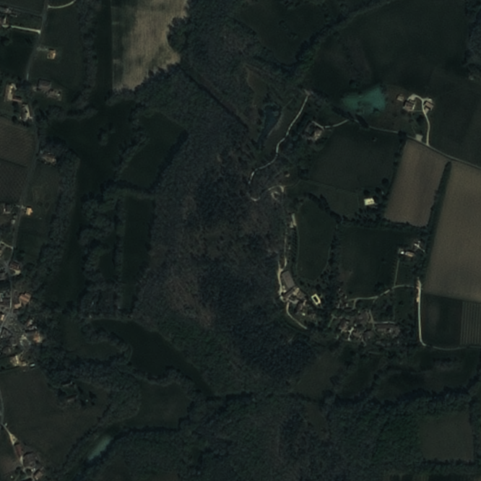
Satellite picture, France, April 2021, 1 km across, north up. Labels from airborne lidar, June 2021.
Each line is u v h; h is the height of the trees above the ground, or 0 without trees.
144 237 0
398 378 0
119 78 0
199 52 22
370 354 6
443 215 0
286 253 13
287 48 0
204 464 21
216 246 0
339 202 0
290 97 21
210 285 24
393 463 17
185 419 6
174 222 19
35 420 0
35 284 17
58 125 0
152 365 0
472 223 0
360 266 0
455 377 0
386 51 0
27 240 0
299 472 15
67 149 24
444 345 0
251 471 20
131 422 0
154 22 0
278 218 20
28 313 20
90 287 19
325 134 0
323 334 13
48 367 7
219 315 20
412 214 0
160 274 13
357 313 7
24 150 0
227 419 23
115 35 0
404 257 7
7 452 0
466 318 0
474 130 0
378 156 0
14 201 0
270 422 19
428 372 13
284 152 19
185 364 0
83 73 0
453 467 13
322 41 12
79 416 0
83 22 17
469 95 0
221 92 21
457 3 0
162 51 0
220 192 19
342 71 0
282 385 15
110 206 20
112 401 14
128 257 0
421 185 0
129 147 20
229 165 19
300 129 8
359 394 0
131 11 0
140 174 0
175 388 0
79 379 7
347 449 21
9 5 0
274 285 21
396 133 0
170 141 0
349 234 0
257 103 0
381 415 21
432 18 0
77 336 0
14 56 0
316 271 0
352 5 0
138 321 18
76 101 10
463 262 0
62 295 0
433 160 0
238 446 20
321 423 0
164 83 27
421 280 9
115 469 0
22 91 11
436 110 0
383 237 0
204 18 26
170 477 0
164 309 16
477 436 15
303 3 13
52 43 0
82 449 19
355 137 0
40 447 0
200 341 21
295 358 16
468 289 0
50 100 0
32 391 0
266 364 19
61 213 17
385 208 13
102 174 0
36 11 0
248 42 18
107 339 15
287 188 0
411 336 9
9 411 0
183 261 13
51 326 15
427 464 14
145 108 17
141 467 18
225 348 15
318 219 0
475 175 0
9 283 10
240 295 20
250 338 14
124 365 15
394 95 0
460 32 0
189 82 24
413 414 12
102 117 0
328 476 20
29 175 0
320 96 20
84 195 0
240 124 21
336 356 11
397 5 0
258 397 22
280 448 14
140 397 17
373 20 0
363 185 0
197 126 24
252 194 19
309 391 0
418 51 0
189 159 25
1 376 0
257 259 12
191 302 15
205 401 15
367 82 0
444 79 0
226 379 22
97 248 20
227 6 23
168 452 19
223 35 16
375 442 18
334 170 0
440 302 0
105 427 11
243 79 19
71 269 0
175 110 25
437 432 0
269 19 0
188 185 20
